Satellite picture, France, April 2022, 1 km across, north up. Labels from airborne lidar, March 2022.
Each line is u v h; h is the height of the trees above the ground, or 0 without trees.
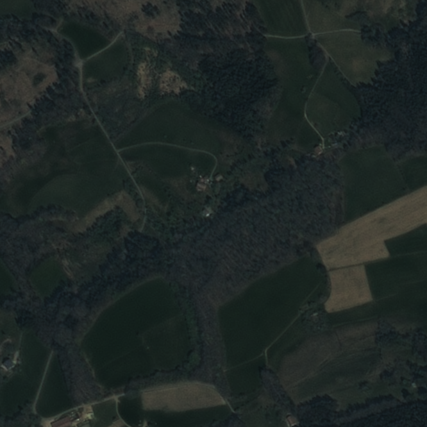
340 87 0
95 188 0
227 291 31
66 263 0
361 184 0
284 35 0
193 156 0
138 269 16
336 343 0
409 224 0
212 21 24
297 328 0
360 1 0
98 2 0
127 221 19
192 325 17
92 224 0
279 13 0
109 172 0
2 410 0
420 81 29
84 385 32
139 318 0
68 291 31
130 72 15
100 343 0
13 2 0
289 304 0
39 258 30
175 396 0
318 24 0
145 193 0
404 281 0
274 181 27
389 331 16
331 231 29
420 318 0
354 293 0
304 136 0
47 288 0
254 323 0
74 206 0
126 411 0
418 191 0
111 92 0
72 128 0
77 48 0
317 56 21
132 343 0
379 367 0
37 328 21
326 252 0
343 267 0
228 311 0
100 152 0
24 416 17
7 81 0
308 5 0
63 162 0
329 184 30
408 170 0
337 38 0
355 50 0
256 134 20
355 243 0
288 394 10
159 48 14
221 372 24
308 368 0
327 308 0
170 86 0
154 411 0
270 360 0
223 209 7
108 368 0
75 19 19
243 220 29
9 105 0
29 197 0
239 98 23
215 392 0
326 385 0
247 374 0
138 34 20
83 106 29
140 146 0
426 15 27
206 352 26
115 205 0
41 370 0
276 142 0
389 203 0
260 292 0
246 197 19
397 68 25
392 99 31
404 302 0
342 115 0
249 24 21
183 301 18
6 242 31
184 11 28
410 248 0
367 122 24
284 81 0
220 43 28
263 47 27
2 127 0
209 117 23
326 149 0
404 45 26
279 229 33
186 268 27
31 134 31
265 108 22
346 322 0
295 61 0
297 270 0
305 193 30
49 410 0
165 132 0
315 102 0
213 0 30
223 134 0
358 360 0
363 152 0
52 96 28
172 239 13
